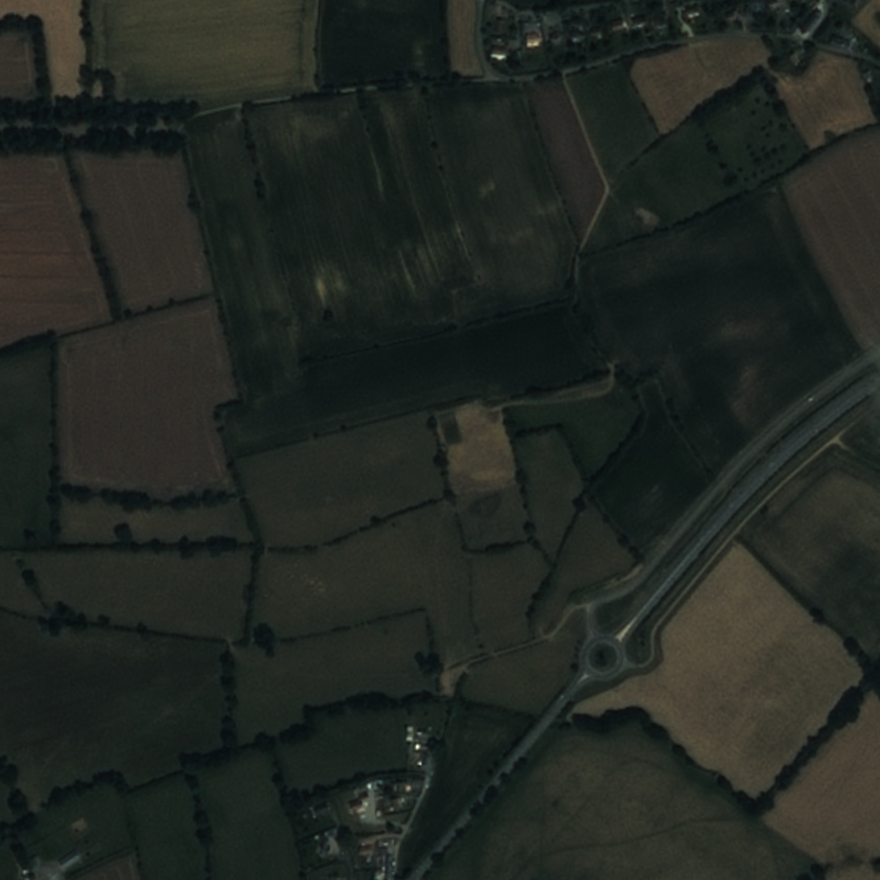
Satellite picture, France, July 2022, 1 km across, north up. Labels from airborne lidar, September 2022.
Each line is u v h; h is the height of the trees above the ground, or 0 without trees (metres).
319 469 0
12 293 0
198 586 0
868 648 0
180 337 0
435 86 7
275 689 0
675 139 0
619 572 0
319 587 0
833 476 0
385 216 0
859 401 0
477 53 0
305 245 0
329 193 0
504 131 0
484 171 0
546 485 0
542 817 0
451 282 0
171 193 0
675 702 0
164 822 0
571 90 0
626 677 0
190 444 0
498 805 0
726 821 0
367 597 0
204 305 0
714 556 0
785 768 6
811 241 0
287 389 0
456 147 0
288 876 0
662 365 0
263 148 0
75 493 15
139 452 0
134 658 0
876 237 0
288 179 0
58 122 17
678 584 0
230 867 0
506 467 0
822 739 8
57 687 0
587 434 0
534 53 0
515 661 0
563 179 0
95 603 0
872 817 0
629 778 0
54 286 0
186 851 0
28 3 0
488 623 0
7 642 0
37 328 0
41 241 0
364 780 15
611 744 0
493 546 8
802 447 0
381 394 0
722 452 0
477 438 0
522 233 0
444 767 0
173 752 0
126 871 0
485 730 0
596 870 0
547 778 0
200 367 0
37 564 0
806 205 0
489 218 0
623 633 0
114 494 12
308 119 0
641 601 0
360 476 0
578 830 0
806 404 0
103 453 0
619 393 0
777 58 8
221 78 0
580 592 0
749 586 0
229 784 0
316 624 0
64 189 0
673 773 0
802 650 0
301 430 0
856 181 0
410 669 0
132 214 0
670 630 0
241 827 0
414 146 0
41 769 0
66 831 0
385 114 0
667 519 0
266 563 0
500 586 0
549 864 0
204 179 0
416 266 0
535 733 0
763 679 0
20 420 0
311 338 0
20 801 15
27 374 0
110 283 10
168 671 0
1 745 0
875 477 0
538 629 0
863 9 0
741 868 0
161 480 0
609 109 0
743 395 0
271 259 0
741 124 0
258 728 0
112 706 0
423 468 0
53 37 0
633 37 15
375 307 0
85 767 0
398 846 0
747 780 0
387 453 0
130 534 11
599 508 7
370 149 0
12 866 0
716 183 0
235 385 7
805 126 0
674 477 0
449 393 0
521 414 0
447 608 0
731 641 0
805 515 0
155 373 0
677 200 0
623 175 0
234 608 0
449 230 0
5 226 0
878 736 0
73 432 0
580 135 0
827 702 0
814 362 0
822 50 0
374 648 0
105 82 15
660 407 0
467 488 0
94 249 11
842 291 0
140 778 0
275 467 0
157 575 0
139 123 18
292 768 0
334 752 0
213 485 0
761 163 7
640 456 0
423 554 0
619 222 0
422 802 0
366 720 0
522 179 0
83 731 0
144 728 0
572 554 0
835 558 0
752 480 0
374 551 0
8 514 0
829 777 0
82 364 0
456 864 0
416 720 0
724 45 0
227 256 0
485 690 0
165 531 0
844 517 0
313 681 0
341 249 0
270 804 0
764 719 0
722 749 0
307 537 0
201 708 0
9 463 0
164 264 0
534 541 7
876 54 8
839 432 0
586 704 0
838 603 0
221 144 0
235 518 0
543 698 0
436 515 0
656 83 0
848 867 0
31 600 0
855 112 0
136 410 0
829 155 0
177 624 0
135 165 0
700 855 0
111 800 0
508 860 0
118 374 0
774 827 0
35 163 0
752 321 0
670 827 0
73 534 0
